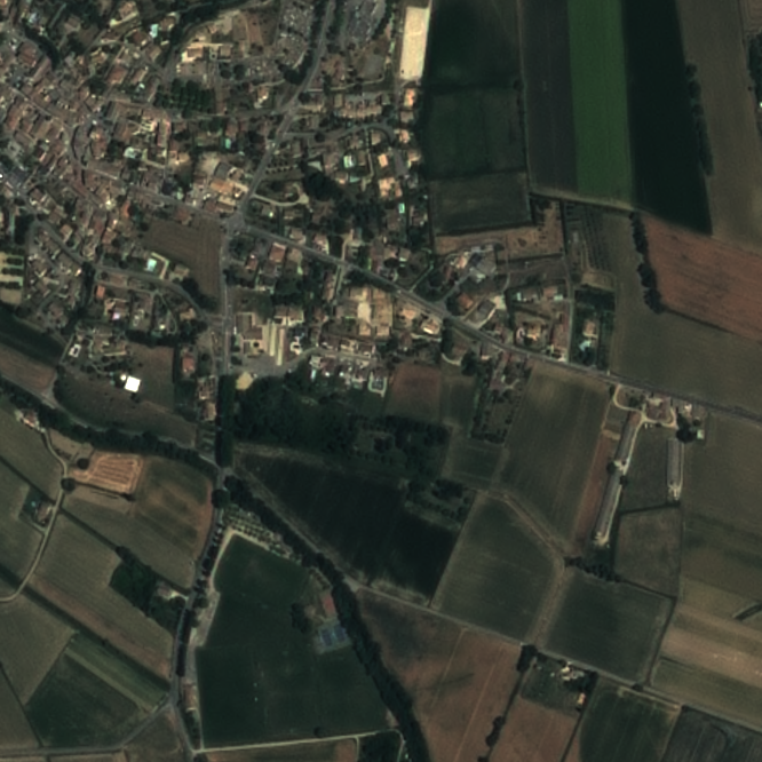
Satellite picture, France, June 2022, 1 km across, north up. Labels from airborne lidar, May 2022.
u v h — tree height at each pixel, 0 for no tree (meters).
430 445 14
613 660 0
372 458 6
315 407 0
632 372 0
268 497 0
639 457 0
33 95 0
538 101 0
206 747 0
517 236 0
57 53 9
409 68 0
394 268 11
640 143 0
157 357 0
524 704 0
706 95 0
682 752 0
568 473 0
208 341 0
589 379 0
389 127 7
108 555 0
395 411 0
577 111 0
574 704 0
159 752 0
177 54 7
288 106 0
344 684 0
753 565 0
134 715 0
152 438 14
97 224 0
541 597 0
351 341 8
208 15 12
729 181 0
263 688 0
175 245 0
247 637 0
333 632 0
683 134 0
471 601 0
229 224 0
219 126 9
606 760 0
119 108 0
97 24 8
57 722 0
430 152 0
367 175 6
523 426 0
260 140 15
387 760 11
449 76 0
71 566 0
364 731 0
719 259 0
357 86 6
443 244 0
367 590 0
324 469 0
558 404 0
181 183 6
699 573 0
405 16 0
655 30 0
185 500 0
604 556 0
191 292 17
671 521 0
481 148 0
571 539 0
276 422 21
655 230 0
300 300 13
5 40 9
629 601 0
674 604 0
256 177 0
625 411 0
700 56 0
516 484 0
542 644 0
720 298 0
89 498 0
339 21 9
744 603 0
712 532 0
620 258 0
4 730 0
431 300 5
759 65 6
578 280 5
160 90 10
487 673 0
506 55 0
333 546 0
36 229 0
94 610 0
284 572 0
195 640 0
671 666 0
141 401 11
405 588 0
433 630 0
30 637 0
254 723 0
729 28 0
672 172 0
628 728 0
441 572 0
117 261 8
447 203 0
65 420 20
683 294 0
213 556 21
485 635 0
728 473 0
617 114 0
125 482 0
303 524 0
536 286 6
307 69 15
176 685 0
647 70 0
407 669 0
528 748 0
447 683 0
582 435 0
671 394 0
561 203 8
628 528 0
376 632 0
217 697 0
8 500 0
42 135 0
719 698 0
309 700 0
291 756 0
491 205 0
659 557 0
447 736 0
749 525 0
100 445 14
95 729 0
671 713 0
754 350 0
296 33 8
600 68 0
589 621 0
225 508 26
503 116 0
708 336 0
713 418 0
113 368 9
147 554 0
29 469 0
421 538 0
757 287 0
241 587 0
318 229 9
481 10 0
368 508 0
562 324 0
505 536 0
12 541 0
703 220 0
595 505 0
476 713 0
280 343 0
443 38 0
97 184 0
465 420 0
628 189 0
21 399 6
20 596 0
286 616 0
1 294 0
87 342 7
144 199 0
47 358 0
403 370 0
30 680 0
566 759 0
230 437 19
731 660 0
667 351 0
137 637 0
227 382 20
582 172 0
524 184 0
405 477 0
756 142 0
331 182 12
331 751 0
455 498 13
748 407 0
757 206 0
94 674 0
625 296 0
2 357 0
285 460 0
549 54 0
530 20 0
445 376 0
